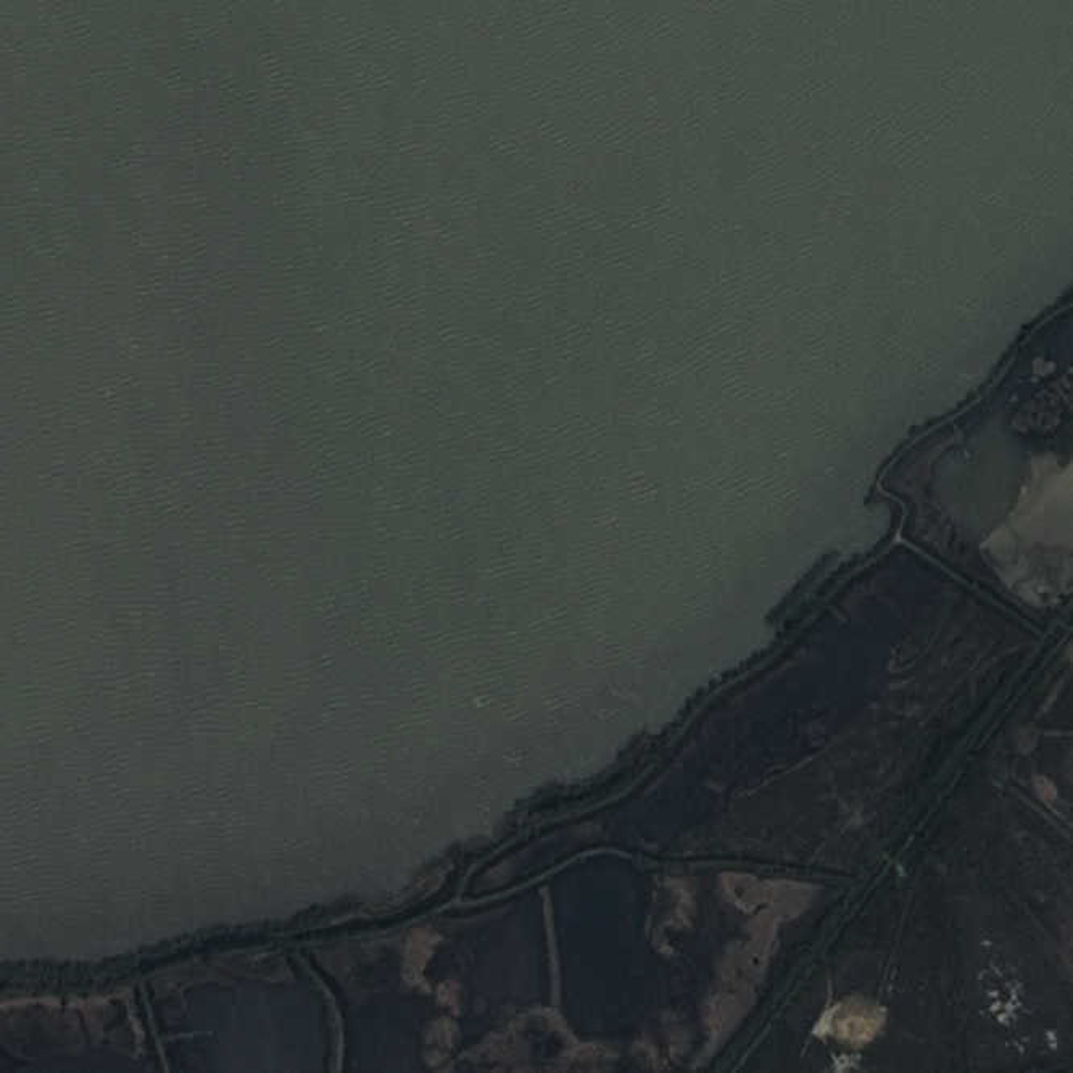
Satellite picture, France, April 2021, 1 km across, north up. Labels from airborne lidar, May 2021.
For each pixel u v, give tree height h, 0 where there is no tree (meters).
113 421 0
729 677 9
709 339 0
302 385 0
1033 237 0
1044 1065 7
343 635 0
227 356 0
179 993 0
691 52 0
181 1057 0
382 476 0
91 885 0
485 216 0
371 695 0
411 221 0
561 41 0
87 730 0
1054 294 0
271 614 0
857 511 0
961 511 0
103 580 0
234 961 0
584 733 0
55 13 0
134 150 0
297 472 0
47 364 0
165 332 0
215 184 0
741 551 0
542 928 0
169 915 0
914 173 0
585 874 0
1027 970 0
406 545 0
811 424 0
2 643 0
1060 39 0
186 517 0
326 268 0
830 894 5
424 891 0
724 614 0
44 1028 0
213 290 0
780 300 0
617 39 0
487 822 0
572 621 0
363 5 0
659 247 0
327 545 0
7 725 0
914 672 0
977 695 0
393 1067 0
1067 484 0
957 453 0
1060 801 0
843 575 6
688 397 0
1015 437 0
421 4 0
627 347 0
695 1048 0
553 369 0
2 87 0
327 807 0
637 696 0
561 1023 0
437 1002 0
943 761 6
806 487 0
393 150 0
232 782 0
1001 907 0
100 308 0
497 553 0
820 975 0
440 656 0
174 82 0
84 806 0
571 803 7
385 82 0
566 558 0
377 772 0
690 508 0
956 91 0
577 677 0
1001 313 0
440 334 0
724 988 0
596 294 0
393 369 0
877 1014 0
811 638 0
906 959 0
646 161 0
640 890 0
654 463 0
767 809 0
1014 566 0
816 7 0
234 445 0
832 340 0
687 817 0
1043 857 0
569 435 0
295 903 0
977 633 0
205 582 0
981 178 0
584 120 0
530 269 0
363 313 0
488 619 0
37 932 0
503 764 0
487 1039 0
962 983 6
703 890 0
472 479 0
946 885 0
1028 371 0
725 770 0
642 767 7
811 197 0
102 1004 0
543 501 0
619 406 0
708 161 0
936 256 0
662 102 0
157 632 0
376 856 0
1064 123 0
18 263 0
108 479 0
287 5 0
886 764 0
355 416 0
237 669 0
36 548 0
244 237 0
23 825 0
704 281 0
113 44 0
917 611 0
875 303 0
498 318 0
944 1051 0
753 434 0
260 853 0
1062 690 0
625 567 0
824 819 0
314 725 0
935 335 0
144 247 0
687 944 0
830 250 0
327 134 0
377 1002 0
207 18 0
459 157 0
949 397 0
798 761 0
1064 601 7
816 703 0
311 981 6
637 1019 0
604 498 0
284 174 0
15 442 0
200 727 0
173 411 0
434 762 0
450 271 0
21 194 0
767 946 0
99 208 0
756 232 0
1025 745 0
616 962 0
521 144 0
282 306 0
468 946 0
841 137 0
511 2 0
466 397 0
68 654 0
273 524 0
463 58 0
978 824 0
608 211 0
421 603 0
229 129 0
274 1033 0
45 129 0
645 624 0
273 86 0
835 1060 0
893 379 0
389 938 0
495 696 0
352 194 0
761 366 0
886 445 0
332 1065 7
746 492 0
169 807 0
